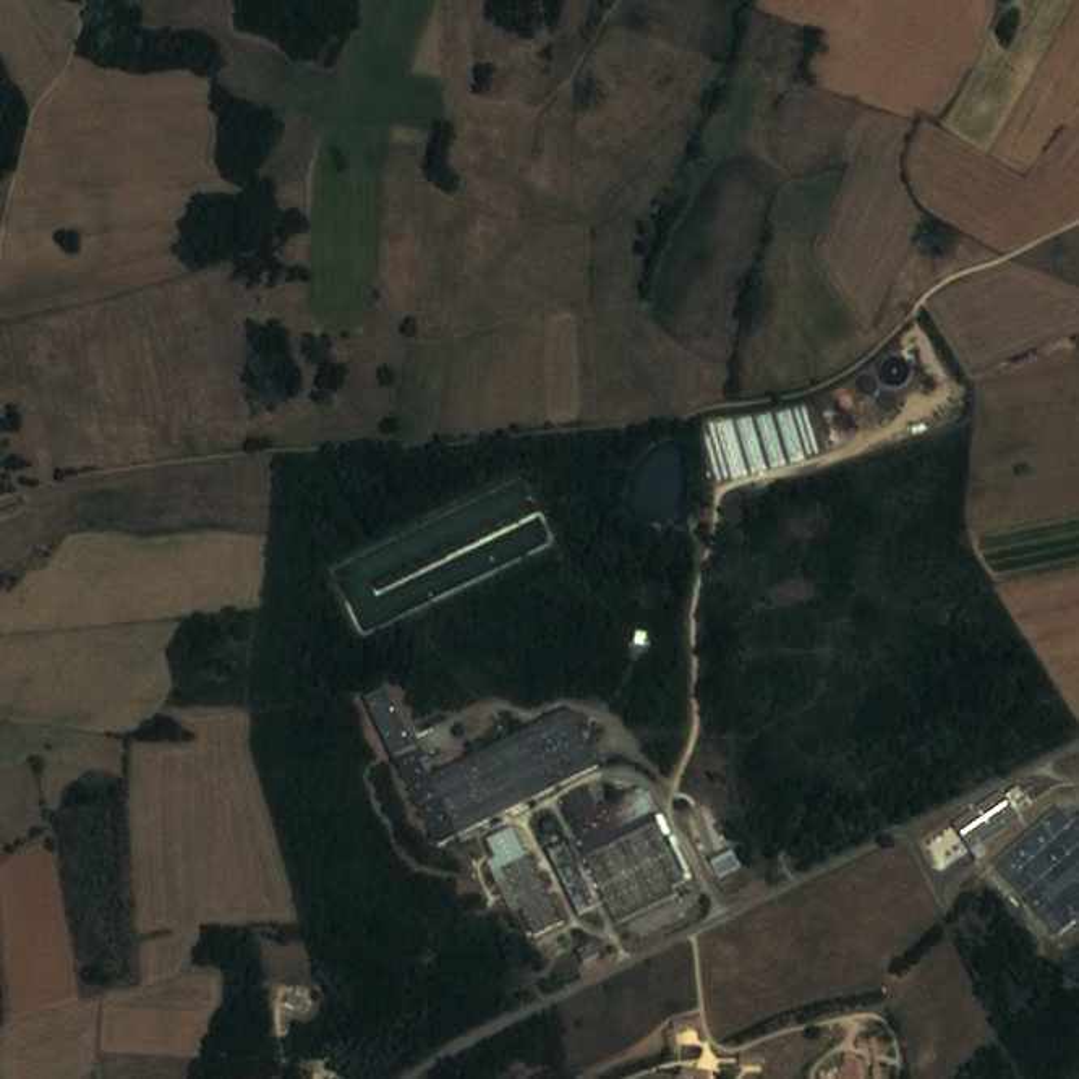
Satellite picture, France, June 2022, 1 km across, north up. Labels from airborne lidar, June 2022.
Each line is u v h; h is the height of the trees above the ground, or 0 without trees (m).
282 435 0
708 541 11
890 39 0
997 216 0
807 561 8
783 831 10
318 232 0
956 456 6
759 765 7
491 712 0
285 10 7
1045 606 0
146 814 0
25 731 0
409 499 18
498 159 0
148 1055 0
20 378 0
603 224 0
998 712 6
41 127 0
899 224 0
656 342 0
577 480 8
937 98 0
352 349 0
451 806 0
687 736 0
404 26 0
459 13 0
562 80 0
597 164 0
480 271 0
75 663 0
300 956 0
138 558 0
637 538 15
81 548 0
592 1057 0
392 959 9
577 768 0
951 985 0
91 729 0
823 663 0
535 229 0
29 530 0
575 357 0
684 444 6
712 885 0
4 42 0
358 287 0
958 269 0
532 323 0
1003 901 12
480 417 0
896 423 0
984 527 0
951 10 0
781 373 0
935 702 9
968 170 0
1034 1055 10
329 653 14
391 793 5
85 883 6
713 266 0
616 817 0
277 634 7
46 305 0
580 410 0
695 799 0
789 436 0
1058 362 0
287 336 10
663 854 0
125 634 0
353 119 0
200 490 0
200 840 0
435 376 0
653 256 12
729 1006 0
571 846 5
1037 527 0
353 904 10
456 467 7
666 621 8
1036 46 0
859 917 0
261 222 7
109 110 0
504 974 9
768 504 7
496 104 0
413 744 0
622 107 0
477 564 0
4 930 0
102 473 0
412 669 13
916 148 0
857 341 0
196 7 0
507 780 0
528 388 0
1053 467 0
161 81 0
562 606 8
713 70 0
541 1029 9
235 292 0
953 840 0
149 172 0
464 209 0
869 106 0
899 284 0
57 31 0
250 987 13
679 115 0
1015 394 0
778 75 0
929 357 0
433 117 0
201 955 8
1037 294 0
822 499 6
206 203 11
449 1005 9
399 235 0
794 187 0
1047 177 0
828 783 7
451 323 0
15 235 0
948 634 8
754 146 0
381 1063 14
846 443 0
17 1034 0
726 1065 0
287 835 7
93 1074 0
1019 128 0
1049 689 8
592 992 0
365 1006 8
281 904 0
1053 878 0
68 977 0
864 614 7
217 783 0
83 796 7
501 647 6
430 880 6
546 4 6
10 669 0
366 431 0
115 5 10
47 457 0
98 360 0
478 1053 7
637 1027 0
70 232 6
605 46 0
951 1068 0
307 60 8
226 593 0
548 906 0
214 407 0
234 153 10
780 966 0
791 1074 0
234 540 0
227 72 0
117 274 0
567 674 8
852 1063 0
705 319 0
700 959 0
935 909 0
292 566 6
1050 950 0
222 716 0
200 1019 0
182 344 0
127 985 0
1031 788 0
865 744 7
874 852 0
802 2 0
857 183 0
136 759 0
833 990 0
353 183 0
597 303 0
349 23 12
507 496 0
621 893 0
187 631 6
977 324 0
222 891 0
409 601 0
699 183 0
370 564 0
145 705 0
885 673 6
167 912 0
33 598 0
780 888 0
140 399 0
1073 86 0
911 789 9
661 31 0
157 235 0
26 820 0
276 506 8
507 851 0
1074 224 0
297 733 8
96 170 0
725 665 9
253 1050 10
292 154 0
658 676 9
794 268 0
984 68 0
